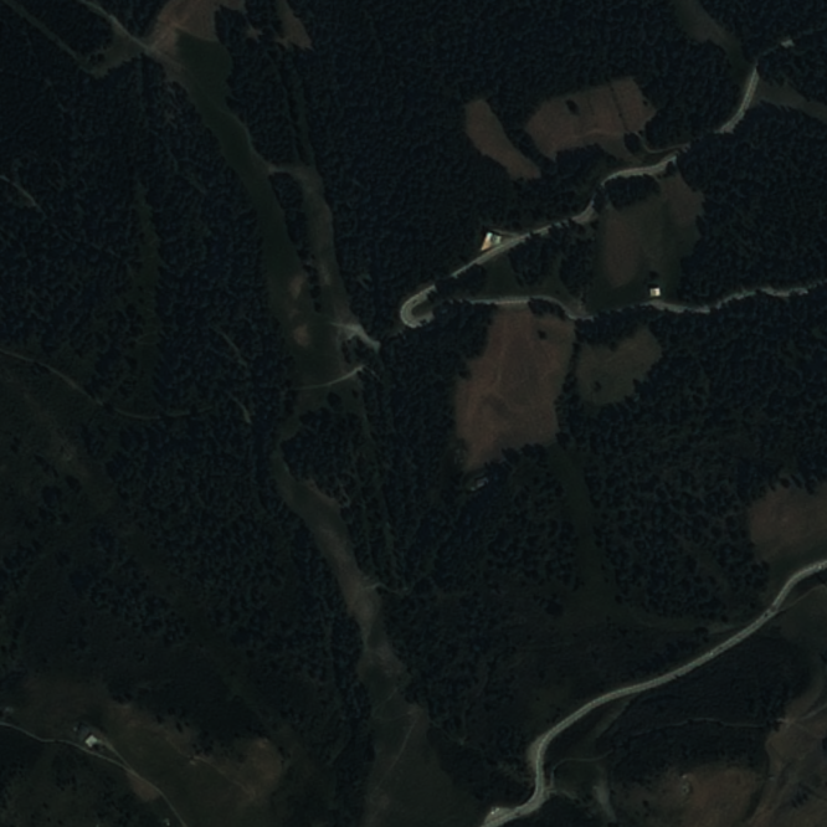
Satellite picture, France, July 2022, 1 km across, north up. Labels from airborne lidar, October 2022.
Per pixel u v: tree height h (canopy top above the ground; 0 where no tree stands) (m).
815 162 22
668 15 24
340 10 17
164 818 0
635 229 0
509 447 0
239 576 26
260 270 26
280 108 21
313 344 0
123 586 7
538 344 0
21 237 19
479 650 6
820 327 18
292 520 22
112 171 21
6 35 17
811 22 24
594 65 17
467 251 17
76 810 0
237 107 20
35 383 6
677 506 14
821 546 0
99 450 27
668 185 0
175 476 27
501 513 30
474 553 27
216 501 25
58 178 16
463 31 20
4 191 15
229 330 22
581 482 0
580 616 0
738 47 0
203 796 0
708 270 28
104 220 25
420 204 24
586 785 0
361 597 0
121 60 0
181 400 31
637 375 0
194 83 0
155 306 0
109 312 30
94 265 27
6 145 18
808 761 0
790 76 14
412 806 0
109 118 22
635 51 23
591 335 19
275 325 23
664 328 22
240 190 25
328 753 7
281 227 0
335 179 22
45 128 13
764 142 27
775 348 23
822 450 9
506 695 7
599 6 27
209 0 0
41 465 16
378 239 28
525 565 12
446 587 26
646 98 9
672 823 0
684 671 0
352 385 0
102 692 0
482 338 21
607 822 0
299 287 0
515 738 13
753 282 17
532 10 27
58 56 13
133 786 0
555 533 8
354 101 22
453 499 19
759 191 20
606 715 0
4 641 0
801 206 16
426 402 14
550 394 0
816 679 0
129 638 7
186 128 20
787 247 22
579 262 22
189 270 6
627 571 22
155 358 0
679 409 10
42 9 19
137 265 16
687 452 10
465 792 0
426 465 21
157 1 13
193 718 7
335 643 7
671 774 0
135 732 0
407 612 8
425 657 7
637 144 23
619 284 0
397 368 17
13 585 25
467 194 24
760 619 0
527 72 24
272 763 0
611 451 10
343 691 14
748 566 14
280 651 21
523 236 0
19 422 6
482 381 0
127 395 28
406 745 0
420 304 0
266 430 27
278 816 0
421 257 23
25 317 8
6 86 11
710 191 23
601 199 15
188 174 20
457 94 7
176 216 18
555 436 0
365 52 9
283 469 0
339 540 0
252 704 0
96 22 21
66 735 0
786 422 15
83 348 27
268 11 10
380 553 18
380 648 0
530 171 0
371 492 17
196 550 20
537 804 0
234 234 22
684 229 0
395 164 24
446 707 20
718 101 27
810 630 0
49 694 0
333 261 0
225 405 21
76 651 10
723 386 26
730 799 0
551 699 0
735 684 7
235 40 29
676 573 13
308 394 0
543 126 0
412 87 20
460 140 20
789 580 0
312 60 23
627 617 0
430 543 24
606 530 8
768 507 0
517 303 0
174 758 0
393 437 7
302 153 15
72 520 16
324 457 16
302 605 8
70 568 8
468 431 0
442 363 21
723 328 17
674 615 17
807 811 0
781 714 8
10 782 8
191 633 12
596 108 0
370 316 22
